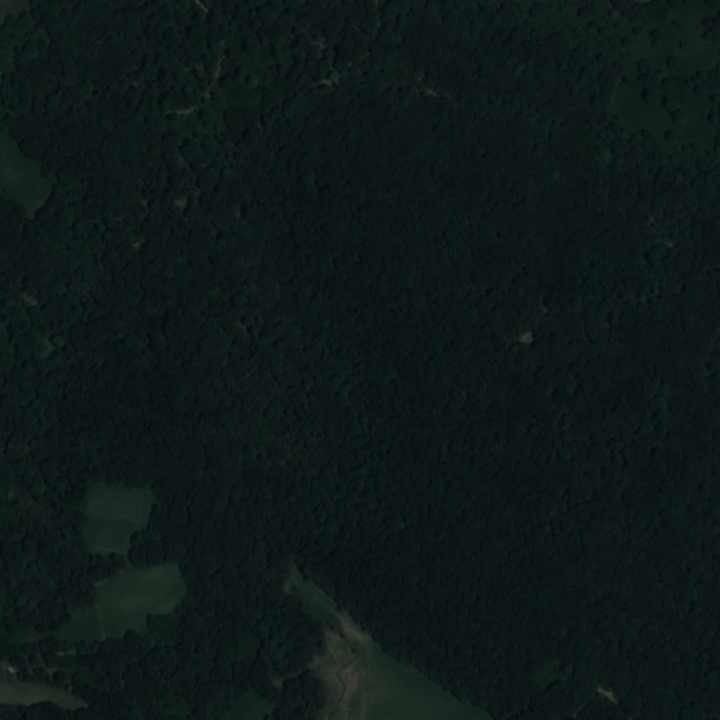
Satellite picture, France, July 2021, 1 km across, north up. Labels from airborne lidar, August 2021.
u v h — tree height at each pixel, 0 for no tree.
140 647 9
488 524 29
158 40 26
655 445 27
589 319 31
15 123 6
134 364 31
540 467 27
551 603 29
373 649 0
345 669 0
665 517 25
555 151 25
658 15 25
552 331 29
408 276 21
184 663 16
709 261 32
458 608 25
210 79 33
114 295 27
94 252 31
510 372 34
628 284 30
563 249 31
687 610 27
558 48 22
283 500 27
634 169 23
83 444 28
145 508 0
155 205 28
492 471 25
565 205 28
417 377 24
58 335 12
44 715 25
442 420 25
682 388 26
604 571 24
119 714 28
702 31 0
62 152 16
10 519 20
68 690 13
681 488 22
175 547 18
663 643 23
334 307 24
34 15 18
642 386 26
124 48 33
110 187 29
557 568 28
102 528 0
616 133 24
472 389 28
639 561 23
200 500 26
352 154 29
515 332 25
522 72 27
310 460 20
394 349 28
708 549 26
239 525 22
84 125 30
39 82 27
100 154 20
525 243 32
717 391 28
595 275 25
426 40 28
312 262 30
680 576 27
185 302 26
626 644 27
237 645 12
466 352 26
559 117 27
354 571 23
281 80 9
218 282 27
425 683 0
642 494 28
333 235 25
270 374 21
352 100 17
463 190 25
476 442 27
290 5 27
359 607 25
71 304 29
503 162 29
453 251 25
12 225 18
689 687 29
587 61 19
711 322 27
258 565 26
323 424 24
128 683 15
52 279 26
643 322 34
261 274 27
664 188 21
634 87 6
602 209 28
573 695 19
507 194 29
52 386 30
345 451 28
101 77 25
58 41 20
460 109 24
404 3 27
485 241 30
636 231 31
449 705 0
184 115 7
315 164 25
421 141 22
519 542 25
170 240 29
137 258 29
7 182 0
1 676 9
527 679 24
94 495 0
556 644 23
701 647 23
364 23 29
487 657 26
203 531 26
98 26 25
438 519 25
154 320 10
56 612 25
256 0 36
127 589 0
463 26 29
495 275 30
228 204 27
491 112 27
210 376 28
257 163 31
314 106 24
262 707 0
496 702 31
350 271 26
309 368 27
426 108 28
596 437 29
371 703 0
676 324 30
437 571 12
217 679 17
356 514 24
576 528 26
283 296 24
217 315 27
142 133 35
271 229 27
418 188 29
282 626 19
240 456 23
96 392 24
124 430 28
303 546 28
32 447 31
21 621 20
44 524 30
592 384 27
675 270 24
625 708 23
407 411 27
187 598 7
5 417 22
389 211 26
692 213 25
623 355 28
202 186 34
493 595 16
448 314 20
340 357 23
